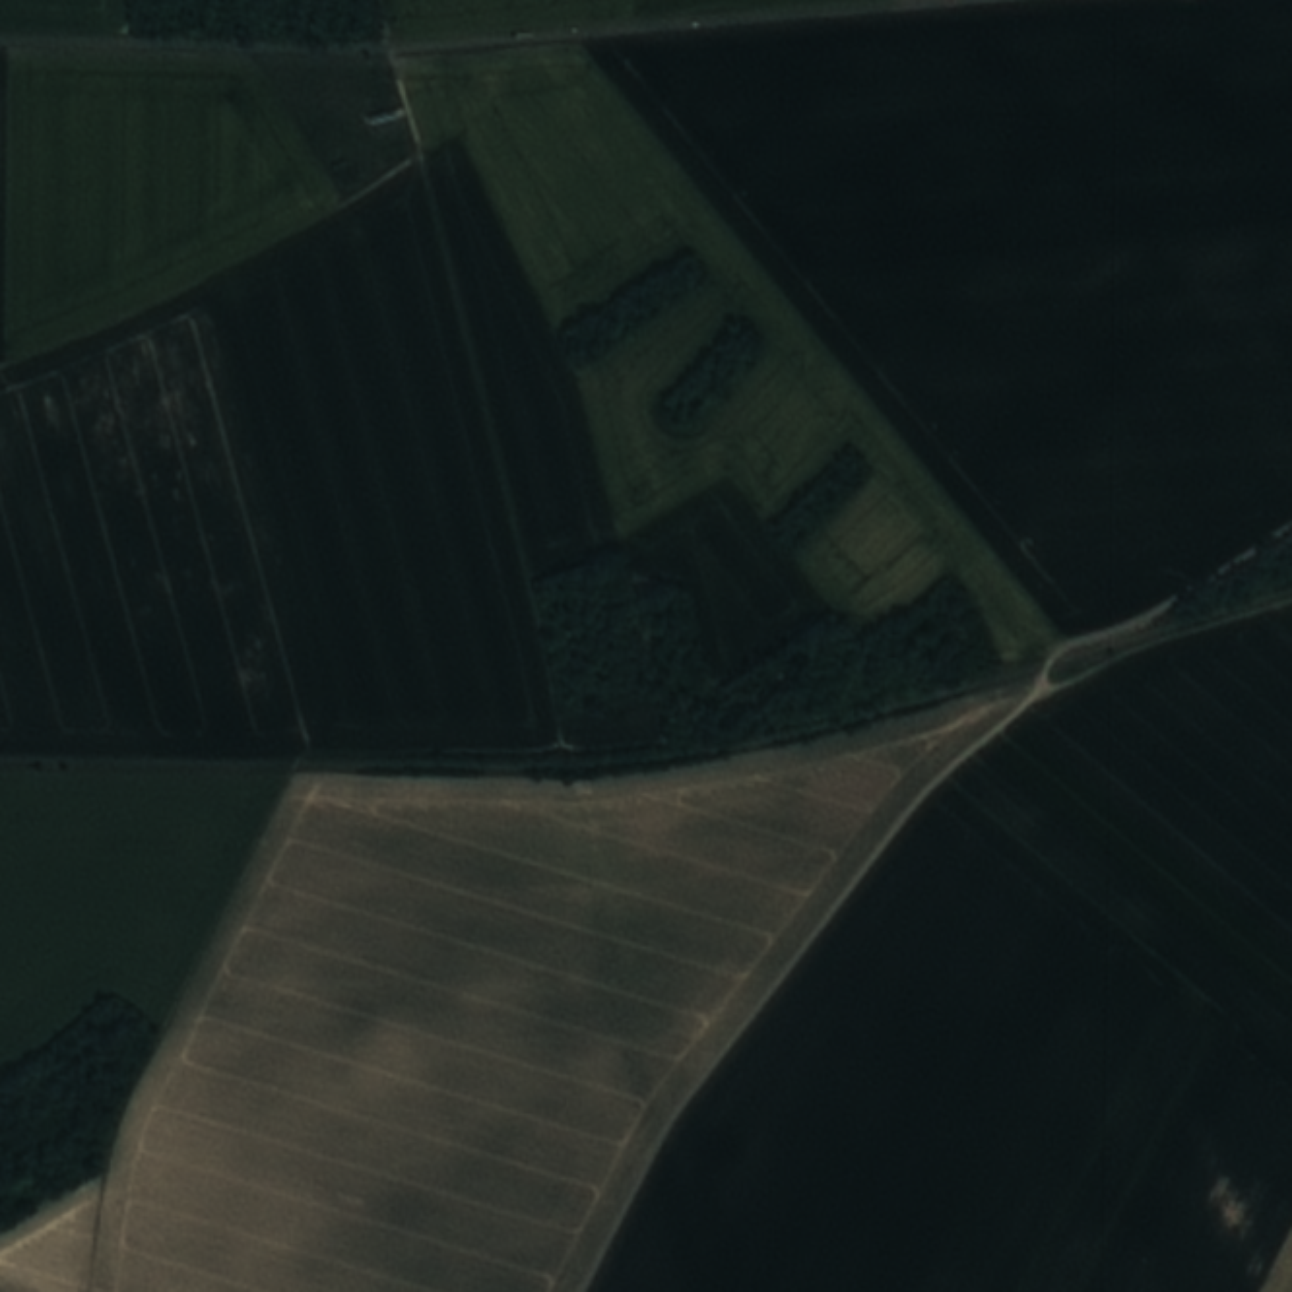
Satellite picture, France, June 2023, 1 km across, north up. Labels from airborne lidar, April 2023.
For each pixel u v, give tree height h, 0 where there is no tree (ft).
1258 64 0
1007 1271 0
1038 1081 0
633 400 0
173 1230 0
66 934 0
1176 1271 0
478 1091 0
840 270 0
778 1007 0
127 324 0
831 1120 0
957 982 0
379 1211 0
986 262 0
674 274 49
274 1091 0
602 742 0
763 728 24
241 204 0
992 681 0
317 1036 0
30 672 0
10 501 0
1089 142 0
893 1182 0
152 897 0
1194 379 0
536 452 0
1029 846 0
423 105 0
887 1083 0
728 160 0
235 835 0
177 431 0
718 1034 0
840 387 0
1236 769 0
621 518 0
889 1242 0
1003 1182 0
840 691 48
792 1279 0
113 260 0
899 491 0
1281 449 0
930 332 0
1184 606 28
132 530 0
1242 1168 0
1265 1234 0
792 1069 0
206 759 0
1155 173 0
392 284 0
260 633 0
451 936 0
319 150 0
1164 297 0
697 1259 0
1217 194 0
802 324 0
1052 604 0
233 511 0
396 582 0
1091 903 0
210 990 0
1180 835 0
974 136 0
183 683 0
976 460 0
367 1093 0
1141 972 0
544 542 0
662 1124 0
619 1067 0
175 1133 0
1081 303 0
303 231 0
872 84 0
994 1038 0
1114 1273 0
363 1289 0
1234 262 0
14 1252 0
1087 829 0
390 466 0
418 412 0
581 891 0
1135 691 0
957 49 0
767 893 0
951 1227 0
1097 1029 0
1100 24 0
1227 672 0
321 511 0
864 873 0
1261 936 0
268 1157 0
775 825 0
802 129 0
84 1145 45
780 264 0
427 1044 0
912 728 0
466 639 0
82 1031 43
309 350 0
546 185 0
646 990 0
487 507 0
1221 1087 0
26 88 0
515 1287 0
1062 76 0
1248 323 0
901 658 50
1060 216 0
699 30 0
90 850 0
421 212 0
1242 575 46
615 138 0
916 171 0
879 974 0
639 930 0
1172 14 0
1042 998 0
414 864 0
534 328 0
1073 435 0
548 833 0
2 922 0
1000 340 0
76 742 0
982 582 0
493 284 0
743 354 49
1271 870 0
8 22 0
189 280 0
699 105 0
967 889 0
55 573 0
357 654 0
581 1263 0
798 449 0
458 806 0
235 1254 0
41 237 0
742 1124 0
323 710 0
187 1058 0
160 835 0
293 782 0
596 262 0
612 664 65
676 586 31
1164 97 0
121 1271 0
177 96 0
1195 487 0
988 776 0
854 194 0
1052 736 0
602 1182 0
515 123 0
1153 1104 0
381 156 0
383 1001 0
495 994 0
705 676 43
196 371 0
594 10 0
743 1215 0
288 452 0
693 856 0
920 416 0
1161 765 0
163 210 0
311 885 0
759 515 0
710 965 0
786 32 0
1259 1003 0
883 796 0
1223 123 0
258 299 0
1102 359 0
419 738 0
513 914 0
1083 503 0
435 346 0
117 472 0
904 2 0
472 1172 0
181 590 0
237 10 34
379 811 0
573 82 0
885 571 0
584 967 0
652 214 0
